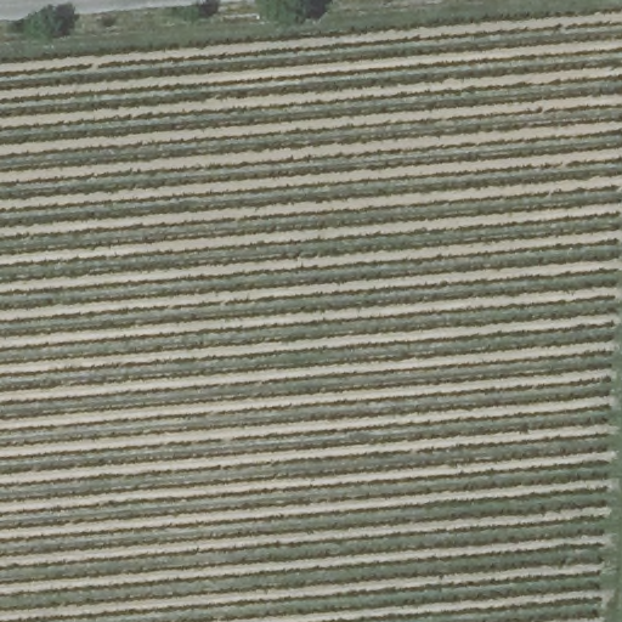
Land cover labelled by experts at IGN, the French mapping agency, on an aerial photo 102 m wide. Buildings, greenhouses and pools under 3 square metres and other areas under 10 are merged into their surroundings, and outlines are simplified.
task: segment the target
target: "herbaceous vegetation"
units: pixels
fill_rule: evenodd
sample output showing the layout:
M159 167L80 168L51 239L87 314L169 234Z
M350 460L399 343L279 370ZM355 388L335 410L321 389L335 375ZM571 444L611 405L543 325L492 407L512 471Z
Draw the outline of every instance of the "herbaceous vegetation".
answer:
M190 39L190 49L350 36L369 32L401 32L413 29L411 19L415 15L476 17L479 22L484 22L484 12L549 10L552 17L578 17L595 12L622 12L622 0L309 0L306 22L296 19L294 24L279 24L260 15L260 5L255 0L207 0L199 2L204 17L219 12L226 19L228 36Z
M70 34L78 15L70 5L56 7L56 17L61 19L61 36Z

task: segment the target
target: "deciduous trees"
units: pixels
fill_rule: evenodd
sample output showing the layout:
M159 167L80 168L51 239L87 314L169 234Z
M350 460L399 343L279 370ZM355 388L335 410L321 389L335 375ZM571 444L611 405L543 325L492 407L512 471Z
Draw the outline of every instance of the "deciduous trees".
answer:
M61 19L56 17L56 7L44 7L17 22L0 22L0 53L15 53L24 63L44 61L41 51L83 46L173 41L175 49L190 49L190 39L228 36L226 19L219 12L204 17L199 2L187 7L148 7L104 15L78 15L70 34L61 36Z
M279 24L294 24L296 19L306 22L309 0L255 0L260 5L260 15Z

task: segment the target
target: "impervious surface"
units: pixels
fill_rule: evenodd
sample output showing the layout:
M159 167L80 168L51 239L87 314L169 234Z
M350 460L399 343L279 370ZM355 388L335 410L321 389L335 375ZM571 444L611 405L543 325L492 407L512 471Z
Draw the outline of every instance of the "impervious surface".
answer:
M104 15L148 7L187 7L199 2L207 0L0 0L0 22L17 22L44 7L56 7L70 5L78 15Z

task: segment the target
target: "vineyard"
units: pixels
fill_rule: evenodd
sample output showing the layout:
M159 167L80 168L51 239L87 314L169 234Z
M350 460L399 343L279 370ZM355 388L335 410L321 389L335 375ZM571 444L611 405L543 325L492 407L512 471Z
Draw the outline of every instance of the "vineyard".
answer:
M24 63L15 53L0 53L0 622L622 622L622 12L595 12L578 17L552 17L549 10L484 12L484 22L479 22L476 17L415 15L411 19L413 29L401 32L369 32L350 36L190 49L175 49L173 41L83 46L41 51L44 61Z

